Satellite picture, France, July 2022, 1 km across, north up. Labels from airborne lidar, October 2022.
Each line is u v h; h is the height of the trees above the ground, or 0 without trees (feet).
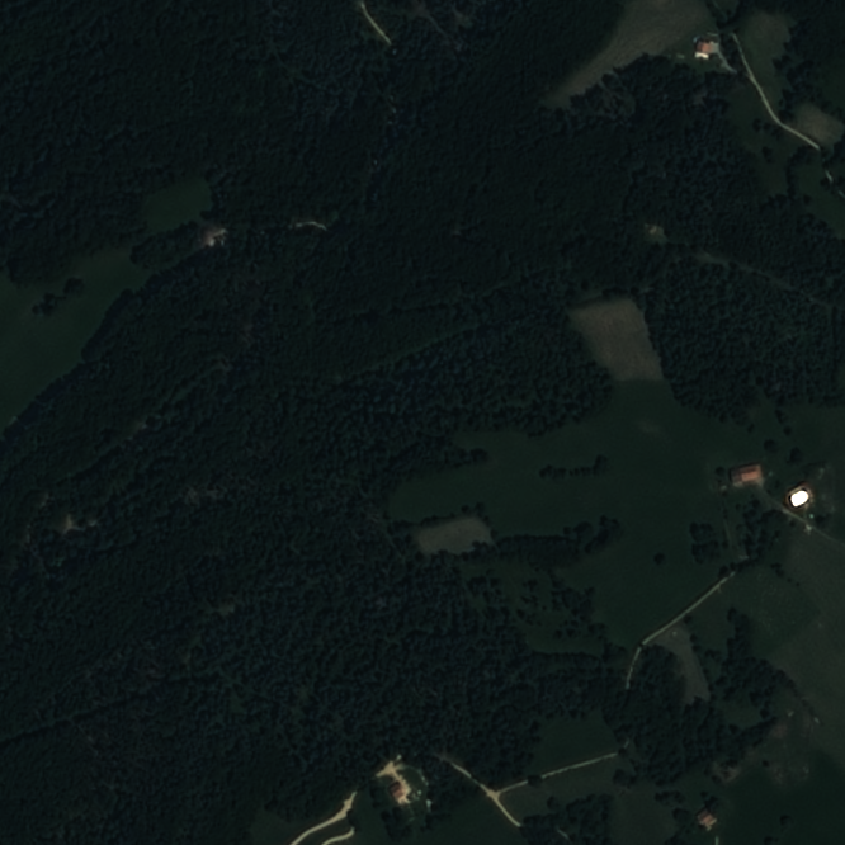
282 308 107
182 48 97
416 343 79
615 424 0
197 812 45
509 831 0
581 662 69
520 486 0
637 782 60
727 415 67
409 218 91
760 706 65
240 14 112
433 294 100
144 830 92
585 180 66
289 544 69
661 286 75
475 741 36
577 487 0
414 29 32
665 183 70
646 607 0
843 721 0
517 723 90
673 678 53
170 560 97
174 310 99
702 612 0
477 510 21
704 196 38
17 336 0
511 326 69
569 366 70
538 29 80
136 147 106
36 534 30
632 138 88
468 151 100
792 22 0
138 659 79
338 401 37
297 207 56
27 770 56
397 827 59
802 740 0
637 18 0
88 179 83
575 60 72
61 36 62
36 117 95
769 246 47
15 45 57
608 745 0
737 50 48
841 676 0
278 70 73
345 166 77
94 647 95
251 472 78
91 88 109
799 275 72
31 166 120
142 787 90
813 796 0
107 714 66
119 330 79
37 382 0
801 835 0
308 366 110
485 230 98
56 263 113
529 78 95
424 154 87
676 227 64
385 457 72
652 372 0
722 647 0
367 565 84
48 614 95
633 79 66
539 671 85
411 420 91
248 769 64
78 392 99
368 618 66
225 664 28
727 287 63
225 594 95
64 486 67
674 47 0
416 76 84
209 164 85
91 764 70
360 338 103
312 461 77
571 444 0
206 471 89
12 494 79
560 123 69
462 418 77
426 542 0
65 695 75
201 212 0
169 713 85
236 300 90
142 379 76
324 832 0
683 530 0
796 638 0
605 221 64
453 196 101
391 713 79
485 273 103
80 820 38
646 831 0
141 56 103
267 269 80
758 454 0
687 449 0
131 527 83
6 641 96
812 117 0
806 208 25
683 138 81
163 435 66
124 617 85
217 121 88
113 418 84
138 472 71
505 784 75
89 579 109
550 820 27
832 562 0
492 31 91
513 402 82
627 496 0
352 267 102
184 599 75
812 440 0
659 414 0
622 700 67
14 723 74
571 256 77
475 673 60
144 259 72
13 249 98
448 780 85
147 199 50
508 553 54
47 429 84
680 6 0
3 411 0
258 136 74
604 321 0
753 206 60
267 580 73
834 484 0
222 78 115
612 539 68
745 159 52
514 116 83
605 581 0
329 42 80
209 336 68
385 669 68
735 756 67
